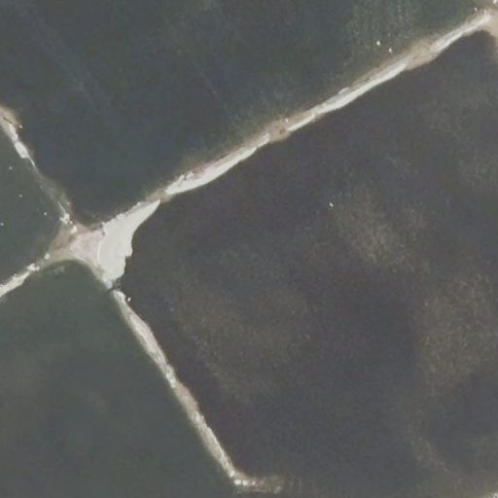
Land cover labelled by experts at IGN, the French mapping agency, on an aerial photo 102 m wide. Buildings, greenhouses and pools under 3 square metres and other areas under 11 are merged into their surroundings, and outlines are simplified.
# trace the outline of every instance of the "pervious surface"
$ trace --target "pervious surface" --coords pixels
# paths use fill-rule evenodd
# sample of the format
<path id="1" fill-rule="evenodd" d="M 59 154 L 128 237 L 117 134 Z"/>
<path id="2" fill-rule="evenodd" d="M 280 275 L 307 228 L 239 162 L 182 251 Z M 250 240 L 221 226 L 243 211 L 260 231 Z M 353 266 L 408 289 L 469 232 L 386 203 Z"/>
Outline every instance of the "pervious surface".
<path id="1" fill-rule="evenodd" d="M 362 82 L 354 88 L 340 89 L 337 97 L 331 97 L 329 101 L 309 111 L 296 113 L 288 119 L 272 121 L 265 126 L 263 134 L 247 142 L 243 148 L 231 152 L 224 160 L 206 165 L 200 173 L 189 171 L 185 175 L 179 175 L 171 185 L 154 191 L 144 202 L 138 202 L 132 210 L 115 216 L 113 220 L 105 222 L 103 228 L 93 231 L 70 218 L 72 204 L 64 189 L 56 187 L 54 181 L 43 175 L 37 161 L 29 154 L 27 146 L 19 140 L 16 130 L 18 123 L 14 113 L 0 105 L 0 126 L 10 136 L 19 156 L 29 163 L 31 173 L 39 183 L 39 189 L 53 200 L 60 212 L 60 230 L 51 243 L 51 249 L 37 263 L 27 265 L 8 282 L 0 284 L 0 298 L 21 286 L 33 272 L 49 267 L 51 263 L 76 259 L 88 265 L 93 274 L 107 286 L 109 294 L 119 303 L 124 319 L 138 335 L 152 360 L 158 364 L 175 397 L 187 410 L 189 418 L 195 422 L 196 430 L 202 436 L 204 444 L 222 465 L 222 469 L 228 473 L 231 482 L 237 486 L 255 488 L 257 480 L 245 477 L 233 467 L 228 453 L 218 442 L 212 428 L 206 424 L 204 416 L 200 414 L 195 397 L 175 377 L 173 368 L 169 366 L 150 327 L 134 313 L 134 309 L 128 305 L 126 296 L 121 292 L 121 284 L 117 282 L 117 278 L 123 276 L 126 257 L 130 257 L 132 253 L 134 231 L 148 216 L 156 212 L 161 202 L 167 202 L 171 196 L 214 181 L 239 161 L 247 160 L 259 148 L 267 146 L 268 142 L 284 140 L 294 130 L 313 123 L 329 111 L 348 105 L 366 91 L 395 78 L 403 70 L 430 62 L 451 43 L 473 31 L 488 31 L 496 39 L 498 53 L 498 0 L 477 0 L 475 10 L 480 14 L 477 18 L 455 27 L 453 31 L 442 35 L 438 41 L 434 37 L 418 41 L 416 45 L 412 45 L 409 53 L 403 54 L 397 62 L 373 74 L 368 82 Z"/>

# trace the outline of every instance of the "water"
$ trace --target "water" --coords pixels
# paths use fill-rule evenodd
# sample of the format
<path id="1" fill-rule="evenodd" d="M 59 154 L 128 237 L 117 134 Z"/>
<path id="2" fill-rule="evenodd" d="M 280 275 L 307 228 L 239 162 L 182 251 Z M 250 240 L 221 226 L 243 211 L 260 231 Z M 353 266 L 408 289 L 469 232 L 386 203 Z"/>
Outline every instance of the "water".
<path id="1" fill-rule="evenodd" d="M 88 265 L 76 259 L 51 263 L 49 267 L 33 272 L 21 286 L 0 298 L 0 498 L 498 498 L 498 53 L 496 39 L 488 31 L 473 31 L 451 43 L 430 62 L 403 70 L 395 78 L 366 91 L 348 105 L 329 111 L 313 123 L 294 130 L 284 140 L 268 142 L 267 146 L 259 148 L 247 160 L 239 161 L 214 181 L 171 196 L 167 202 L 161 202 L 156 212 L 148 216 L 134 231 L 132 253 L 130 257 L 126 257 L 123 276 L 117 278 L 117 282 L 121 284 L 121 292 L 126 296 L 128 305 L 134 309 L 134 313 L 150 327 L 169 366 L 173 368 L 175 377 L 195 397 L 200 414 L 204 416 L 206 424 L 212 428 L 218 442 L 228 453 L 233 467 L 245 477 L 257 480 L 255 488 L 237 486 L 231 482 L 228 473 L 222 469 L 222 465 L 204 444 L 202 436 L 196 430 L 195 422 L 189 418 L 187 410 L 175 397 L 158 364 L 152 360 L 138 335 L 124 319 L 119 303 L 109 294 L 107 286 L 93 274 Z"/>
<path id="2" fill-rule="evenodd" d="M 51 243 L 60 230 L 60 212 L 53 200 L 39 189 L 39 183 L 31 173 L 29 163 L 19 156 L 10 136 L 0 126 L 0 284 L 8 282 L 27 265 L 37 263 L 51 249 Z"/>
<path id="3" fill-rule="evenodd" d="M 27 146 L 29 154 L 37 161 L 43 175 L 54 181 L 56 187 L 64 189 L 72 204 L 70 218 L 93 231 L 103 228 L 105 222 L 113 220 L 115 216 L 132 210 L 138 202 L 144 202 L 154 191 L 171 185 L 179 175 L 185 175 L 189 171 L 200 173 L 206 165 L 224 160 L 231 152 L 243 148 L 247 142 L 263 134 L 265 126 L 272 121 L 288 119 L 296 113 L 309 111 L 329 101 L 331 97 L 337 97 L 340 89 L 354 88 L 362 82 L 368 82 L 373 74 L 397 62 L 403 54 L 409 53 L 412 45 L 416 45 L 418 41 L 434 37 L 438 41 L 442 35 L 453 31 L 455 27 L 477 18 L 480 14 L 475 10 L 477 0 L 0 0 L 0 105 L 14 113 L 18 123 L 16 130 L 19 140 Z"/>

